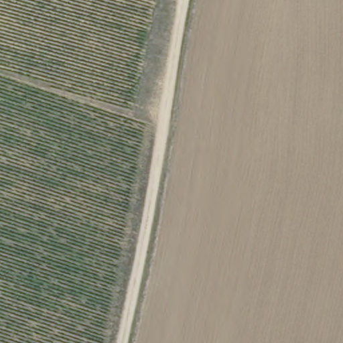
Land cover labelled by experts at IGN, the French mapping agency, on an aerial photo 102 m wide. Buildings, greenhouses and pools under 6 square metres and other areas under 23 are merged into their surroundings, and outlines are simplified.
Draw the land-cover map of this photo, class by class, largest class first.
<instances>
[{"label":"plowed land","instance_id":"1","mask_svg":"<svg viewBox=\"0 0 343 343\"><path fill-rule=\"evenodd\" d=\"M178 131L171 145L173 162L170 163L163 189L153 259L134 343H343V0H194L192 28L189 31L188 50L182 70Z\"/></svg>","mask_w":343,"mask_h":343},{"label":"vineyard","instance_id":"2","mask_svg":"<svg viewBox=\"0 0 343 343\"><path fill-rule=\"evenodd\" d=\"M154 9L150 0H0V343H117L149 184L157 123L150 118L147 106L135 103L134 99L141 82L137 76L138 63L147 32L150 31L151 12Z\"/></svg>","mask_w":343,"mask_h":343},{"label":"herbaceous vegetation","instance_id":"3","mask_svg":"<svg viewBox=\"0 0 343 343\"><path fill-rule=\"evenodd\" d=\"M154 9L151 12L150 31L147 32L138 63L137 76L141 82L134 99L135 103L147 106L150 118L157 123L177 0H150ZM194 0H189L153 224L127 343H134L153 259L163 189L170 163L173 162L171 145L178 131L182 70L188 50L189 31L192 28Z\"/></svg>","mask_w":343,"mask_h":343},{"label":"pervious surface","instance_id":"4","mask_svg":"<svg viewBox=\"0 0 343 343\"><path fill-rule=\"evenodd\" d=\"M189 0H177L157 123L149 184L117 343H127L153 224Z\"/></svg>","mask_w":343,"mask_h":343}]
</instances>
